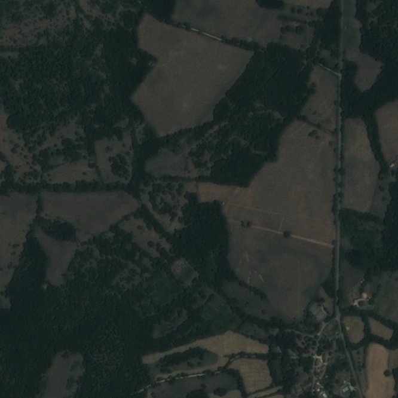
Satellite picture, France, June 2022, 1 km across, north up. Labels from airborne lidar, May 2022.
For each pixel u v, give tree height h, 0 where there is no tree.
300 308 0
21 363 15
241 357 10
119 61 7
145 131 8
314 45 9
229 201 0
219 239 15
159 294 0
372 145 11
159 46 0
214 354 0
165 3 13
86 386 11
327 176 0
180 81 0
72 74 10
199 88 0
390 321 11
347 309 6
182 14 0
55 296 10
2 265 0
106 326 13
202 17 0
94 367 12
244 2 0
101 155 0
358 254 10
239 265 0
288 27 11
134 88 9
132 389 9
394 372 15
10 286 11
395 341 19
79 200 0
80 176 0
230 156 13
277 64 6
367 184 0
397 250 12
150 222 13
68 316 11
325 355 0
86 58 10
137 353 13
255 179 0
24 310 15
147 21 0
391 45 14
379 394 0
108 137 10
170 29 0
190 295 9
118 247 8
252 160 17
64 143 13
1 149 0
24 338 12
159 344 7
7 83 16
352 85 13
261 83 6
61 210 0
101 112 9
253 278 0
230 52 0
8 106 17
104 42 7
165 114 0
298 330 8
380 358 0
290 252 0
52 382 0
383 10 11
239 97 7
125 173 10
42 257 11
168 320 12
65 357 11
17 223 0
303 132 0
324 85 0
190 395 13
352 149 0
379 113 0
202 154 7
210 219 19
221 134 12
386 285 0
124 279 8
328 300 0
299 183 0
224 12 0
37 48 7
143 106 0
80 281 12
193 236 15
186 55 0
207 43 0
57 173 0
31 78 11
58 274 0
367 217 9
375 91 17
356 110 15
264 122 15
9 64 9
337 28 18
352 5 0
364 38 17
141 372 9
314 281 0
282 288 0
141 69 10
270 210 0
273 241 0
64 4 6
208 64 0
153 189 8
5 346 12
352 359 6
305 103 10
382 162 13
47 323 11
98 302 11
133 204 0
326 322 12
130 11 10
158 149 13
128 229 0
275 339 13
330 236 0
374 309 0
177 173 0
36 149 9
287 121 14
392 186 10
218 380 0
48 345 13
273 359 13
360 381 0
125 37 8
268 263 0
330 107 0
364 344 14
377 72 0
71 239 20
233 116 12
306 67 11
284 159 0
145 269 8
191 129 12
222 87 0
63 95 11
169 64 0
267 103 15
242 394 11
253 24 0
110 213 0
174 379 11
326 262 0
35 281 8
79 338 14
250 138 10
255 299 0
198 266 12
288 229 0
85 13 6
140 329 10
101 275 7
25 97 8
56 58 10
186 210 11
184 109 0
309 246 0
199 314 10
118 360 13
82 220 0
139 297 8
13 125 16
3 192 11
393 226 13
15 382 9
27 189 13
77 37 11
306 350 8
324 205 0
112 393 11
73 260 7
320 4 0
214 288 12
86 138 11
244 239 0
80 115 9
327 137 0
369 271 13
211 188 0
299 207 0
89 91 9
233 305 10
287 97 11
